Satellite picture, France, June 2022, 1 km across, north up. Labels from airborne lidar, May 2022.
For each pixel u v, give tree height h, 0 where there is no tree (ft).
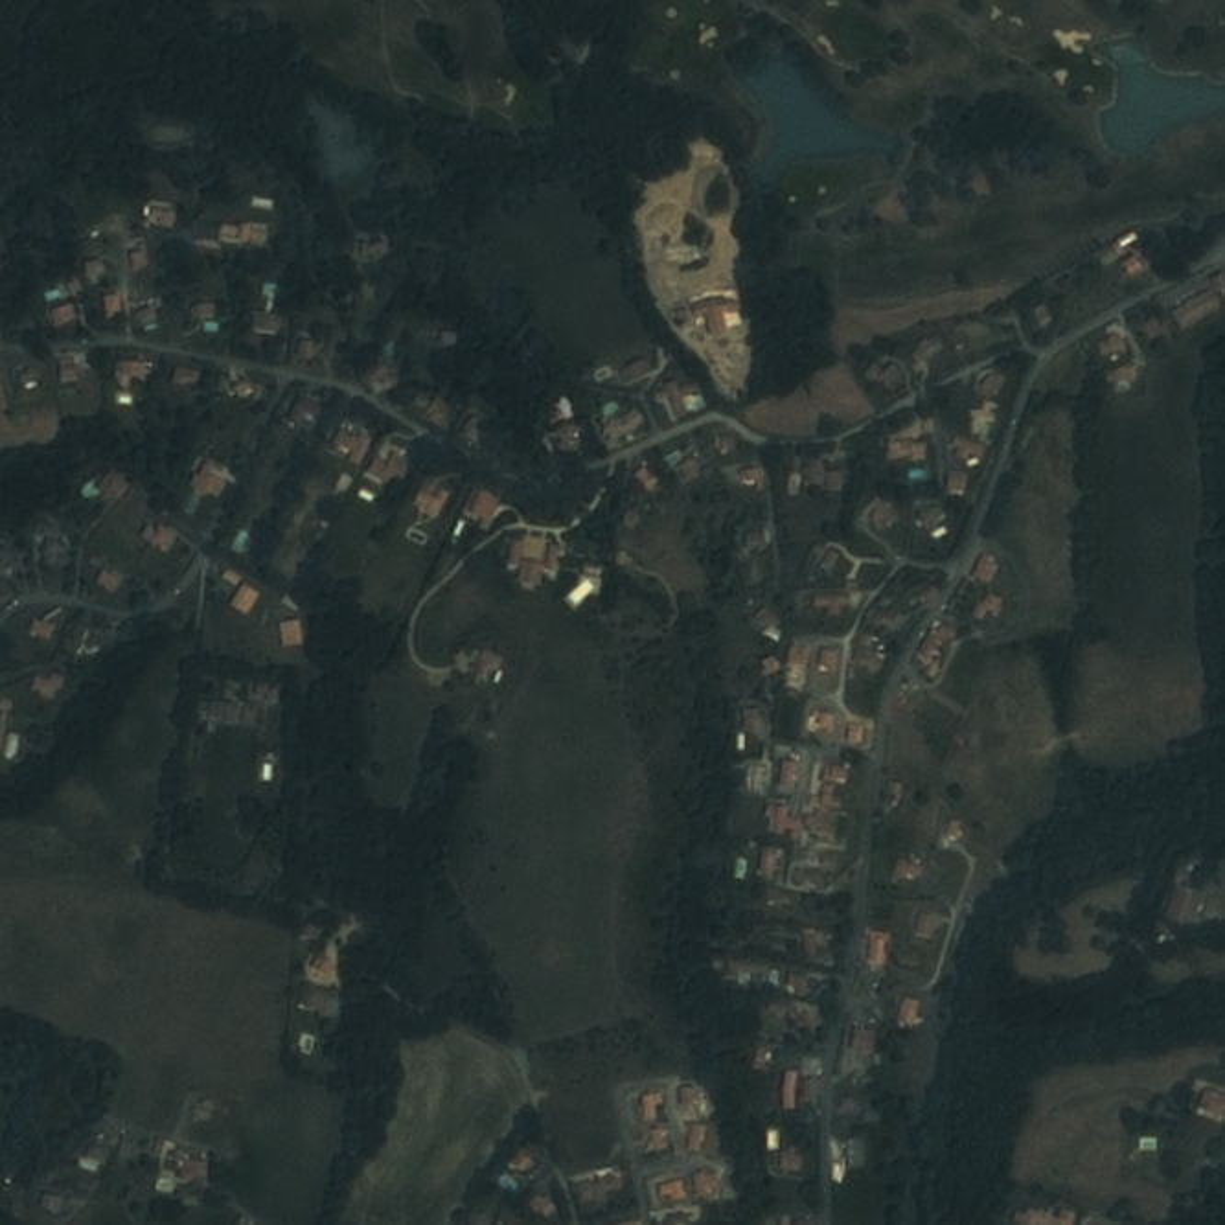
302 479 59
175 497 31
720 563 31
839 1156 0
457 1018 22
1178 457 0
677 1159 0
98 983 0
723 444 0
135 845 0
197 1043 0
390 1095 20
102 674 43
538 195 68
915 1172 64
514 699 0
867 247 0
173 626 50
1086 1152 0
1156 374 0
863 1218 0
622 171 53
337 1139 0
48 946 0
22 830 0
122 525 0
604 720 0
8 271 45
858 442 26
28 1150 74
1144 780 54
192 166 78
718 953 46
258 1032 0
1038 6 0
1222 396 73
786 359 69
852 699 0
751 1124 48
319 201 65
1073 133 0
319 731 79
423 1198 0
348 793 73
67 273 29
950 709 0
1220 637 73
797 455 29
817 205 0
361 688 28
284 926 42
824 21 0
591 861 0
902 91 0
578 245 0
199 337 0
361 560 0
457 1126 0
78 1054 42
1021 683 0
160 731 0
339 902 30
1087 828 72
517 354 33
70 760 62
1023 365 32
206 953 0
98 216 0
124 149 79
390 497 35
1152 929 43
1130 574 0
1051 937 65
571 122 66
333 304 24
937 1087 40
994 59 0
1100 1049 76
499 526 26
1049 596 0
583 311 0
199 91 66
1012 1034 51
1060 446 0
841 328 0
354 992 56
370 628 43
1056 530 0
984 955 56
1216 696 35
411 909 54
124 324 35
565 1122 0
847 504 42
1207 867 37
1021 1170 0
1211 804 65
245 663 35
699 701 31
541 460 66
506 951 0
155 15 72
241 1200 0
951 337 0
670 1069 0
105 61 22
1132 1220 30
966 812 0
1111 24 0
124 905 0
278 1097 0
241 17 51
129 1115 0
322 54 0
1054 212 0
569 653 0
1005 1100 60
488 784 0
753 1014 76
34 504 41
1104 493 0
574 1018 0
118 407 0
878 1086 26
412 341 38
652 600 30
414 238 57
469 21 0
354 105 57
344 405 62
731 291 0
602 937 0
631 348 0
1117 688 0
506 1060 0
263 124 76
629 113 76
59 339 48
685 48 0
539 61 60
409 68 0
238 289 62
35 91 73
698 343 0
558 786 0
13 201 38
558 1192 37
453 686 27
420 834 83
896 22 0
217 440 0
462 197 49
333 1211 47
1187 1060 0
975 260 0
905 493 41
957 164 72
